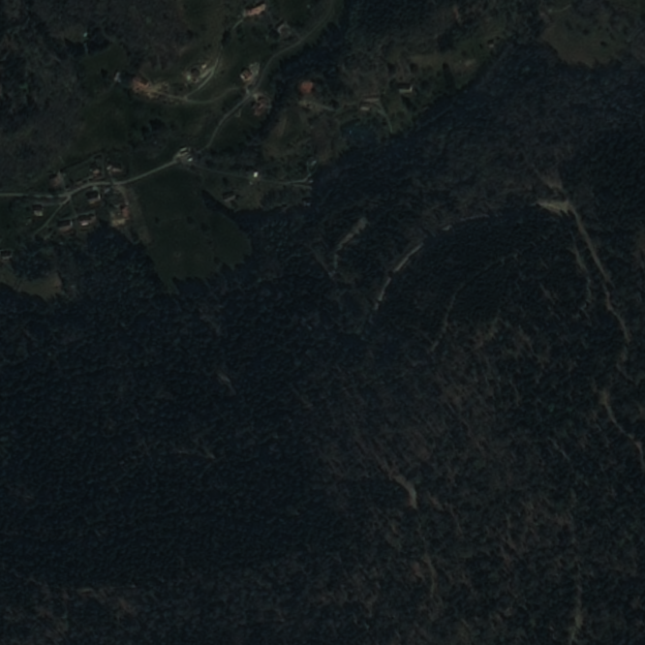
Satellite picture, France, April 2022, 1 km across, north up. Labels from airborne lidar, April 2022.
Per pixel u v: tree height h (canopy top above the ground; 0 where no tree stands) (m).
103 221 0
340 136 15
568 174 32
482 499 29
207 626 19
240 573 25
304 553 18
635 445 15
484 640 33
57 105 29
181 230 0
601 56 0
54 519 24
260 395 32
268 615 12
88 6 31
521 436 32
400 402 35
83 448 21
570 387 26
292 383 26
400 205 11
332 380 31
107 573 19
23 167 29
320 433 11
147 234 0
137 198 0
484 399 27
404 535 26
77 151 0
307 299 10
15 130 21
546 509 30
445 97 0
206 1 0
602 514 18
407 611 20
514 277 12
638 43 12
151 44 26
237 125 0
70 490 25
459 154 26
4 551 18
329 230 18
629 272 8
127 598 27
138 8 28
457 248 10
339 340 32
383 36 21
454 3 26
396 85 13
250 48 0
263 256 33
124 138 0
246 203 0
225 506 15
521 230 10
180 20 19
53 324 27
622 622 19
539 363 10
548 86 33
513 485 27
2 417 24
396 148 19
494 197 31
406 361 29
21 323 30
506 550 30
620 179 34
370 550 26
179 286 0
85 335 30
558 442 30
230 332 33
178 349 28
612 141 29
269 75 0
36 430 30
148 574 20
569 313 8
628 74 31
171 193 0
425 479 16
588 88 29
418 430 30
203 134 0
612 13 14
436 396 34
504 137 29
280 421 32
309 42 0
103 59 0
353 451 26
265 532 25
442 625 28
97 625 17
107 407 27
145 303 35
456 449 23
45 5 34
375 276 12
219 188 0
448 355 7
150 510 20
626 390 14
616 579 25
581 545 26
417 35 20
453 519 20
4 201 0
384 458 29
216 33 0
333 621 23
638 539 29
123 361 34
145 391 30
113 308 32
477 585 7
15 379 28
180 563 17
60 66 14
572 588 21
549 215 16
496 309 10
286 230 34
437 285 7
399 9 21
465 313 8
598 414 8
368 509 25
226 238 0
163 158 0
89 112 0
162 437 29
